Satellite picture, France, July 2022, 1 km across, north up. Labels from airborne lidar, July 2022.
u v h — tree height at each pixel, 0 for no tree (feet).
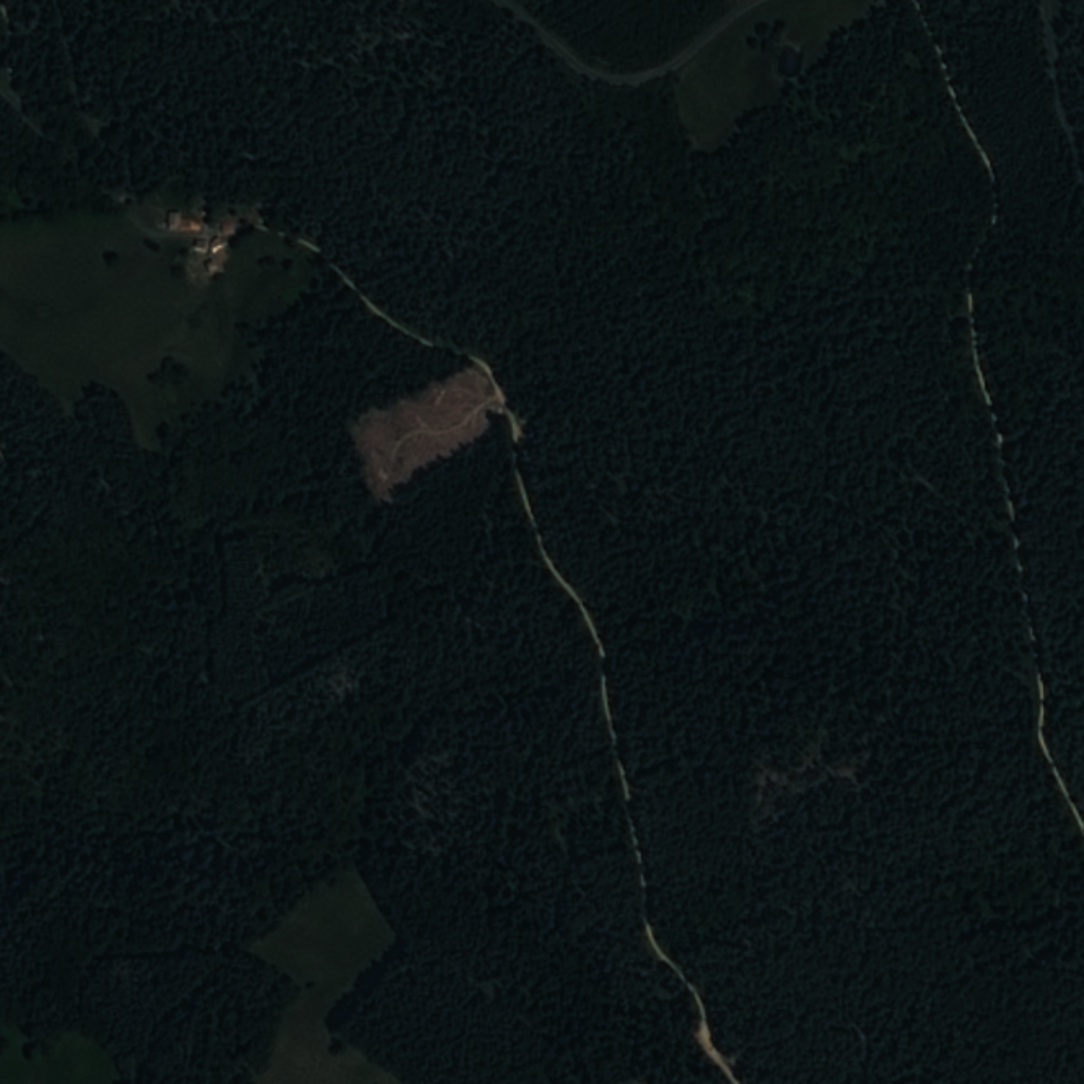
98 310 0
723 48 0
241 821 87
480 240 44
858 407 82
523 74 67
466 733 54
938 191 37
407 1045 85
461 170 73
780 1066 75
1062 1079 74
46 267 0
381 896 88
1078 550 73
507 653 81
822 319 78
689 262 43
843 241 30
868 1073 56
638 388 67
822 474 49
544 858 80
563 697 54
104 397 70
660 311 58
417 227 72
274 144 71
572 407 78
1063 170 52
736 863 53
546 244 46
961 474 69
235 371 0
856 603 88
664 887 81
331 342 68
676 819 72
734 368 73
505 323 91
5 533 68
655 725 69
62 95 37
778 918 81
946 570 67
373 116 74
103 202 50
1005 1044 79
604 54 24
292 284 0
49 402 84
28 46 39
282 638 47
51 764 56
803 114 43
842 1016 61
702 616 37
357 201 67
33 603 51
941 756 67
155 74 57
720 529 59
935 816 60
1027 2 40
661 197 36
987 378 26
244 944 73
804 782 61
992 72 53
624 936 85
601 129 35
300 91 60
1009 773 60
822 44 0
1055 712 69
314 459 62
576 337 58
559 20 38
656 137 39
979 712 74
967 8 77
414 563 82
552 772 67
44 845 77
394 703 97
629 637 68
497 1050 75
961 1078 81
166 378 37
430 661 83
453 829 63
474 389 0
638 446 74
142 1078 56
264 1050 61
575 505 84
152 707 86
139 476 72
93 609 76
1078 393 65
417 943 85
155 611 88
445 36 36
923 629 70
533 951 91
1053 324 42
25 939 102
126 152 59
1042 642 64
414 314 70
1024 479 82
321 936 0
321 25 52
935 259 40
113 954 59
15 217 44
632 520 49
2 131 69
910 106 33
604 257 40
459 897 84
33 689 67
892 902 96
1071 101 53
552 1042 76
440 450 0
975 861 73
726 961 81
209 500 40
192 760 68
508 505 67
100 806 55
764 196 53
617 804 39
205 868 93
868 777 75
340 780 34
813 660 86
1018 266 58
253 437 42
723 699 93
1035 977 84
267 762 55
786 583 55
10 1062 0
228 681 74
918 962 84
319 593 36
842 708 57
